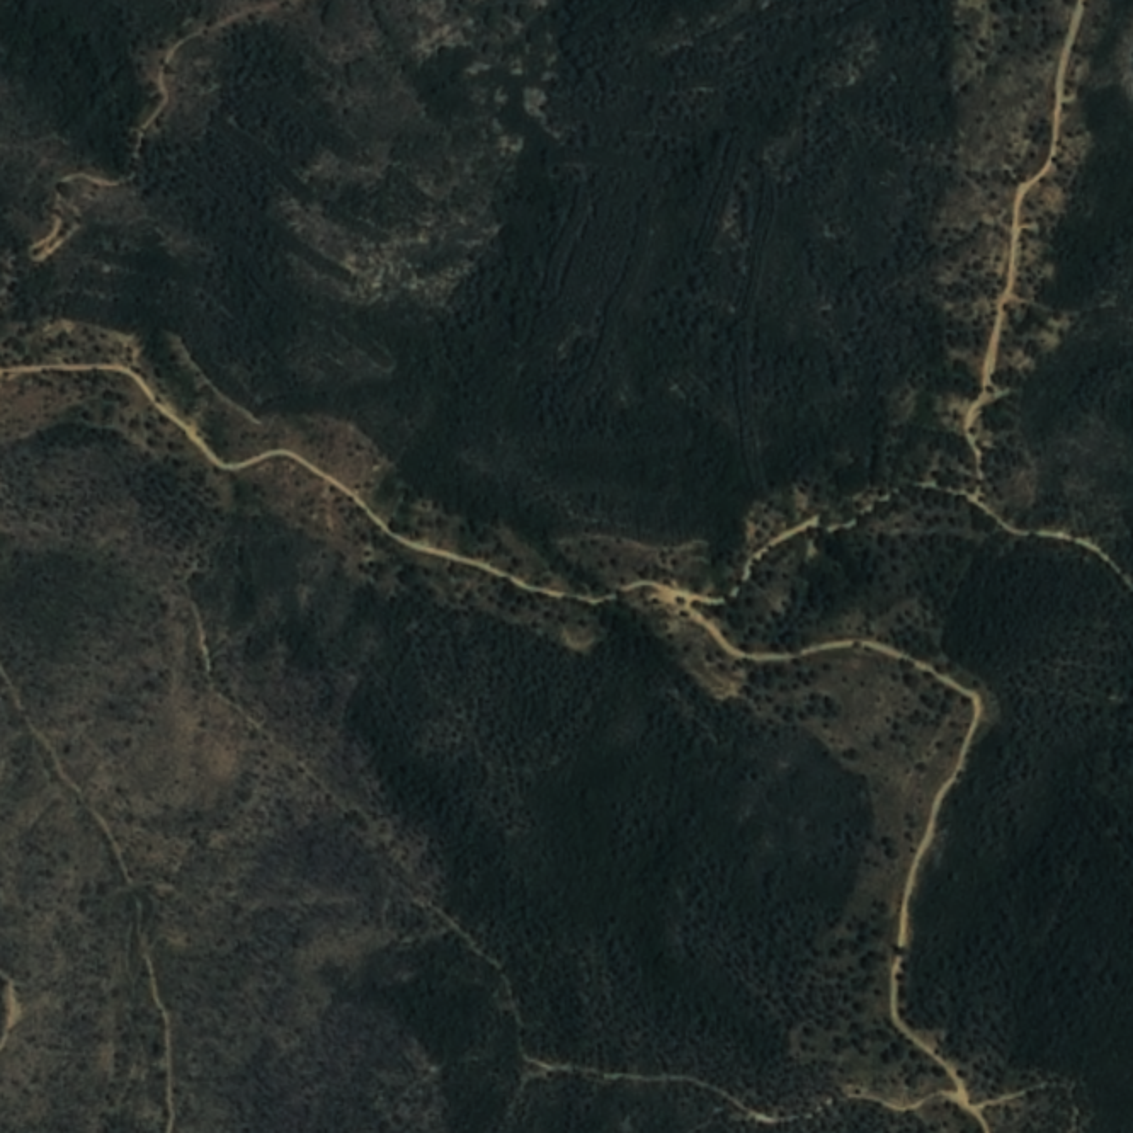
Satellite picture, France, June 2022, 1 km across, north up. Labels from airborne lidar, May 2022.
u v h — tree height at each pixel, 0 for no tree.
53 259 7
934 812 0
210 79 7
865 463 11
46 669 0
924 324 16
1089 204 6
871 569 9
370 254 0
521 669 10
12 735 0
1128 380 17
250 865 0
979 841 7
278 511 0
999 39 0
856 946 11
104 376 7
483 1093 7
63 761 0
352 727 6
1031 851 7
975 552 9
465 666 12
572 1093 11
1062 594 14
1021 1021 9
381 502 0
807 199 11
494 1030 11
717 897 15
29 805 0
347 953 0
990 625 13
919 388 8
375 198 10
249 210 13
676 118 16
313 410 12
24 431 0
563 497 6
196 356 9
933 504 11
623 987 15
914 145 15
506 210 11
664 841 8
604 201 12
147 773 0
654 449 11
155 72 0
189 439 0
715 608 8
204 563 12
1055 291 8
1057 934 8
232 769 0
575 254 9
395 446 9
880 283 11
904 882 0
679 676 7
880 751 8
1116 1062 8
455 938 11
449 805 17
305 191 10
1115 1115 6
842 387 12
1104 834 17
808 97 7
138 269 11
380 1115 7
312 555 0
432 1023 8
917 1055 13
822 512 8
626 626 19
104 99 18
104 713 0
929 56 6
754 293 9
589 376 12
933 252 11
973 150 0
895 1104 0
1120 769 12
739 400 10
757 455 7
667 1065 11
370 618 7
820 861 8
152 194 17
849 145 14
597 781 6
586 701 9
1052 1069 9
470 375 6
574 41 14
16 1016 0
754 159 12
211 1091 0
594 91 16
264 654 11
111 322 8
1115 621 11
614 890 7
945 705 7
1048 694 17
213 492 12
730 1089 15
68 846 0
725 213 9
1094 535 9
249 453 0
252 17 8
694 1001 8
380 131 0
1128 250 13
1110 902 10
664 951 6
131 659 0
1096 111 7
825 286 12
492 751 13
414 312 6
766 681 12
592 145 16
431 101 7
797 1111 10
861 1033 19
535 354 10
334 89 7
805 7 16
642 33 15
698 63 15
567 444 10
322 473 0
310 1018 0
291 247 9
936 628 10
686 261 8
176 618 0
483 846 7
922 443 8
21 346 9
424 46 0
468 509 12
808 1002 17
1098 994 12
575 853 7
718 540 11
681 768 10
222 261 6
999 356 0
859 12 13
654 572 7
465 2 11
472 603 11
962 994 9
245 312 13
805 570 13
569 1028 12
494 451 6
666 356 10
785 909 13
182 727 0
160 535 15
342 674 11
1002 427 6
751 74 9
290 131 14
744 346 12
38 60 10
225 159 15
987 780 5
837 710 14
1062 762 6
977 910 7
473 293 14
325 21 10
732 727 7
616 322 10
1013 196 0
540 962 11
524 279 10
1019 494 0
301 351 6
